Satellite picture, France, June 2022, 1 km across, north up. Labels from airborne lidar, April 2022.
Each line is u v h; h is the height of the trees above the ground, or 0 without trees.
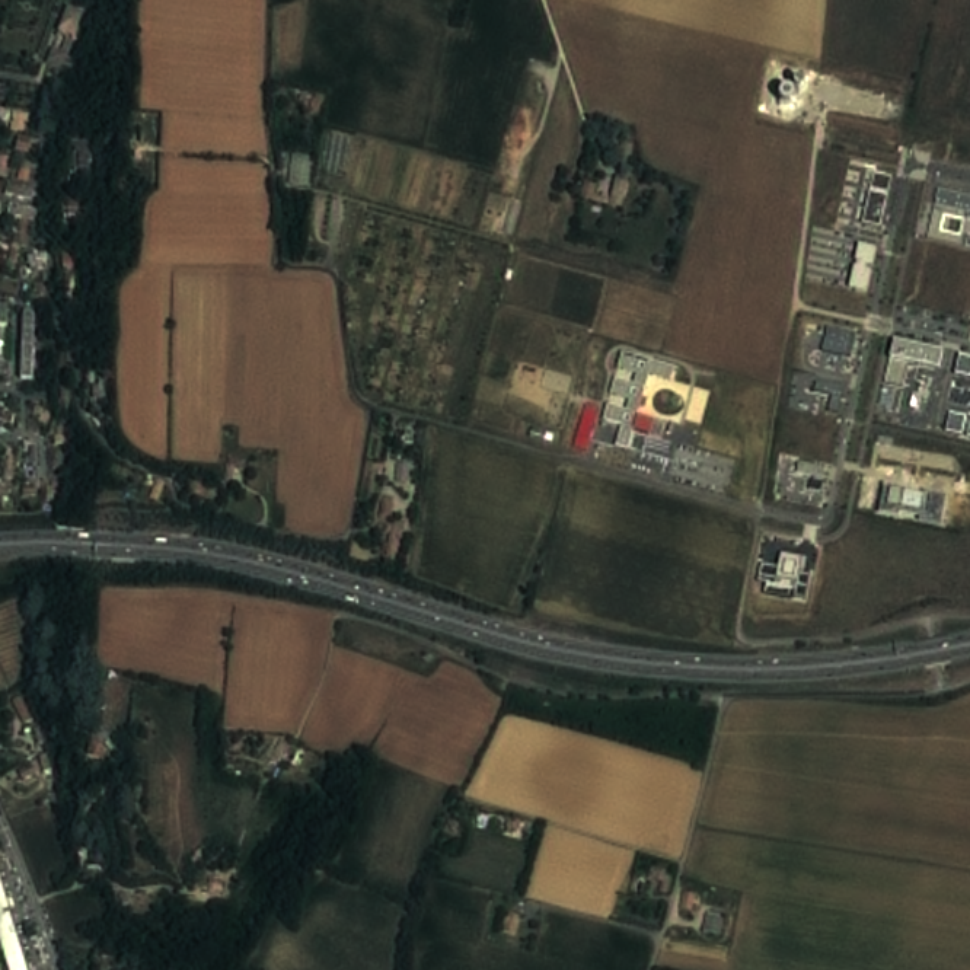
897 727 0
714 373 0
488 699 0
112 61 16
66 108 20
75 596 15
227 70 0
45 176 19
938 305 0
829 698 0
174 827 0
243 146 0
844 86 0
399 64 0
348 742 0
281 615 0
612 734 6
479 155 0
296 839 24
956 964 0
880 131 0
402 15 0
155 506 8
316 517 0
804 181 0
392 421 9
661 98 0
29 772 0
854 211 0
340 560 10
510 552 0
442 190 0
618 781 0
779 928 0
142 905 0
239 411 0
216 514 12
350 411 0
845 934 0
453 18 10
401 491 7
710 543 0
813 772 0
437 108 0
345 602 8
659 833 0
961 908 0
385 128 0
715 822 0
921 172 0
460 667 0
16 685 7
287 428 0
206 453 0
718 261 0
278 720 0
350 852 0
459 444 0
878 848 0
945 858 0
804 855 0
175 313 0
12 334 8
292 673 0
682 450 0
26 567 13
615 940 0
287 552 8
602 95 0
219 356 0
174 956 15
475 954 0
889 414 0
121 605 0
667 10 0
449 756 0
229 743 8
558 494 0
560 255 0
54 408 6
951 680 0
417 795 0
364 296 0
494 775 0
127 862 12
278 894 13
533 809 0
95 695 14
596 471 0
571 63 0
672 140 0
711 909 0
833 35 0
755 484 0
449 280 0
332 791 23
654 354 0
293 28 0
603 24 0
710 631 0
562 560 0
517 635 0
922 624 0
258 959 0
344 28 0
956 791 0
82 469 16
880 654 0
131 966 20
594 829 0
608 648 0
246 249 0
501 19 0
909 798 0
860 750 0
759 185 0
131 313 0
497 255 0
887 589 0
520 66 0
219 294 0
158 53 0
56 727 16
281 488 0
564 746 0
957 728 0
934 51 0
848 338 0
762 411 0
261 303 0
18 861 0
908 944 0
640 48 0
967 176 0
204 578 10
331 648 0
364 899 0
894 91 0
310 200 8
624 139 10
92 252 13
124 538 0
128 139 12
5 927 0
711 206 0
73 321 19
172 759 0
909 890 0
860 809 0
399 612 0
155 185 7
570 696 8
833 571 0
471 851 0
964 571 0
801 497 0
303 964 0
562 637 0
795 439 0
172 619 0
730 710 0
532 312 0
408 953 10
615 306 0
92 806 19
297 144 10
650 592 0
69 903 0
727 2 0
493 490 0
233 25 0
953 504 0
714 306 0
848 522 0
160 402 0
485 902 0
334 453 0
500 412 0
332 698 0
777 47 0
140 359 0
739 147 0
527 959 0
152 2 0
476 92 0
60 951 9
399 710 0
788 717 0
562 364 0
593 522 0
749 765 0
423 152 0
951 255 0
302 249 13
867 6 0
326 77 0
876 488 0
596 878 0
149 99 0
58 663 15
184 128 0
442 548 0
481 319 0
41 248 11
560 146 0
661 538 0
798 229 0
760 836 0
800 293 0
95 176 13
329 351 0
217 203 0
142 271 0
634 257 0
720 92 0
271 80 7
